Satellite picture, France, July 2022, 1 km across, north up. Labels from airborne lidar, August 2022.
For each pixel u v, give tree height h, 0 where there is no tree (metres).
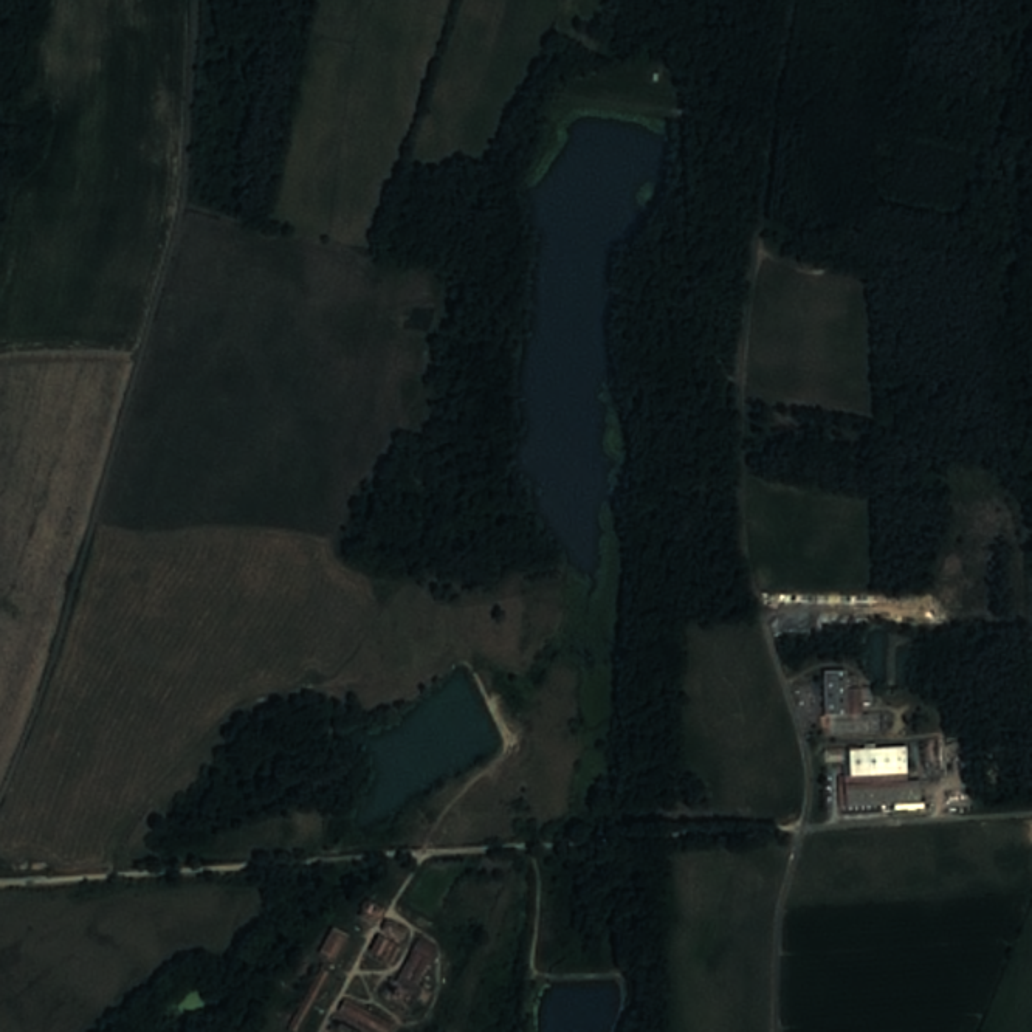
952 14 25
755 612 14
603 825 10
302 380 0
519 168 17
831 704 0
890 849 0
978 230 11
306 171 0
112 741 0
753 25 21
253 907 0
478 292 18
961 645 12
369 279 0
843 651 15
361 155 0
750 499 0
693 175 23
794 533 0
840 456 23
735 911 0
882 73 12
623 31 23
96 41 0
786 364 0
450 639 0
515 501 23
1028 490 19
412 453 21
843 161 13
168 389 0
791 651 10
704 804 14
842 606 0
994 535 0
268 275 0
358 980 0
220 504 0
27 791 0
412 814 0
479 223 28
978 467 23
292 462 0
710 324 11
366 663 0
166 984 20
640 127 0
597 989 0
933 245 19
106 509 0
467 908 0
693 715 0
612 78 0
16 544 0
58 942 0
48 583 0
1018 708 20
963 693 22
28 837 0
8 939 0
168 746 0
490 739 0
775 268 0
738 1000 0
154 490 0
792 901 0
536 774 0
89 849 0
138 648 0
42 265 0
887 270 19
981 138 20
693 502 19
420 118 10
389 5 0
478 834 0
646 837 19
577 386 0
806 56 13
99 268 0
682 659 16
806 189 14
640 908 18
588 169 0
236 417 0
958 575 0
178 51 0
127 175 0
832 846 0
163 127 0
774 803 0
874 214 21
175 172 0
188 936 0
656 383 21
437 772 0
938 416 21
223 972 22
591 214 0
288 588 0
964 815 0
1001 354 26
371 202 0
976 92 21
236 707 0
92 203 0
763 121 18
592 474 0
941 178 6
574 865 17
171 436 0
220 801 15
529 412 0
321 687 0
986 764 19
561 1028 0
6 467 0
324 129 0
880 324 16
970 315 22
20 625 0
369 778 16
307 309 0
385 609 0
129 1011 20
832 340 0
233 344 0
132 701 0
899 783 0
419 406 0
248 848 0
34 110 6
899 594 21
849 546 0
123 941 0
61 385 0
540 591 0
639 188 0
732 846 20
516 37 0
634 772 21
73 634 0
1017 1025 0
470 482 25
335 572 0
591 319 0
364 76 0
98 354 0
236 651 0
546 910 0
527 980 16
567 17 0
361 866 9
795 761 0
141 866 11
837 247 17
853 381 0
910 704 0
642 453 23
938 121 21
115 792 0
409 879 0
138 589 0
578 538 0
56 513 0
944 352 21
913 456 22
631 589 17
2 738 0
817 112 14
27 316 0
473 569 23
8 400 0
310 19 13
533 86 18
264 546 0
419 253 19
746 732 0
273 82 18
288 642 0
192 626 0
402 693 0
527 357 0
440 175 22
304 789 14
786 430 12
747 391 0
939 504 22
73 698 0
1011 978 0
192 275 0
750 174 19
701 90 25
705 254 19
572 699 0
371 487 8
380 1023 0
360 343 0
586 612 0
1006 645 21
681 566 19
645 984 21
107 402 0
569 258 0
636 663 16
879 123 17
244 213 16
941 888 0
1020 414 20
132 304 0
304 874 6
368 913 0
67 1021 0
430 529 23
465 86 0
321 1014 0
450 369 14
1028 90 22
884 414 11
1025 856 0
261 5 19
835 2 9
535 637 0
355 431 0
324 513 0
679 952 0
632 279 23
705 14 18
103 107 0
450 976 0
